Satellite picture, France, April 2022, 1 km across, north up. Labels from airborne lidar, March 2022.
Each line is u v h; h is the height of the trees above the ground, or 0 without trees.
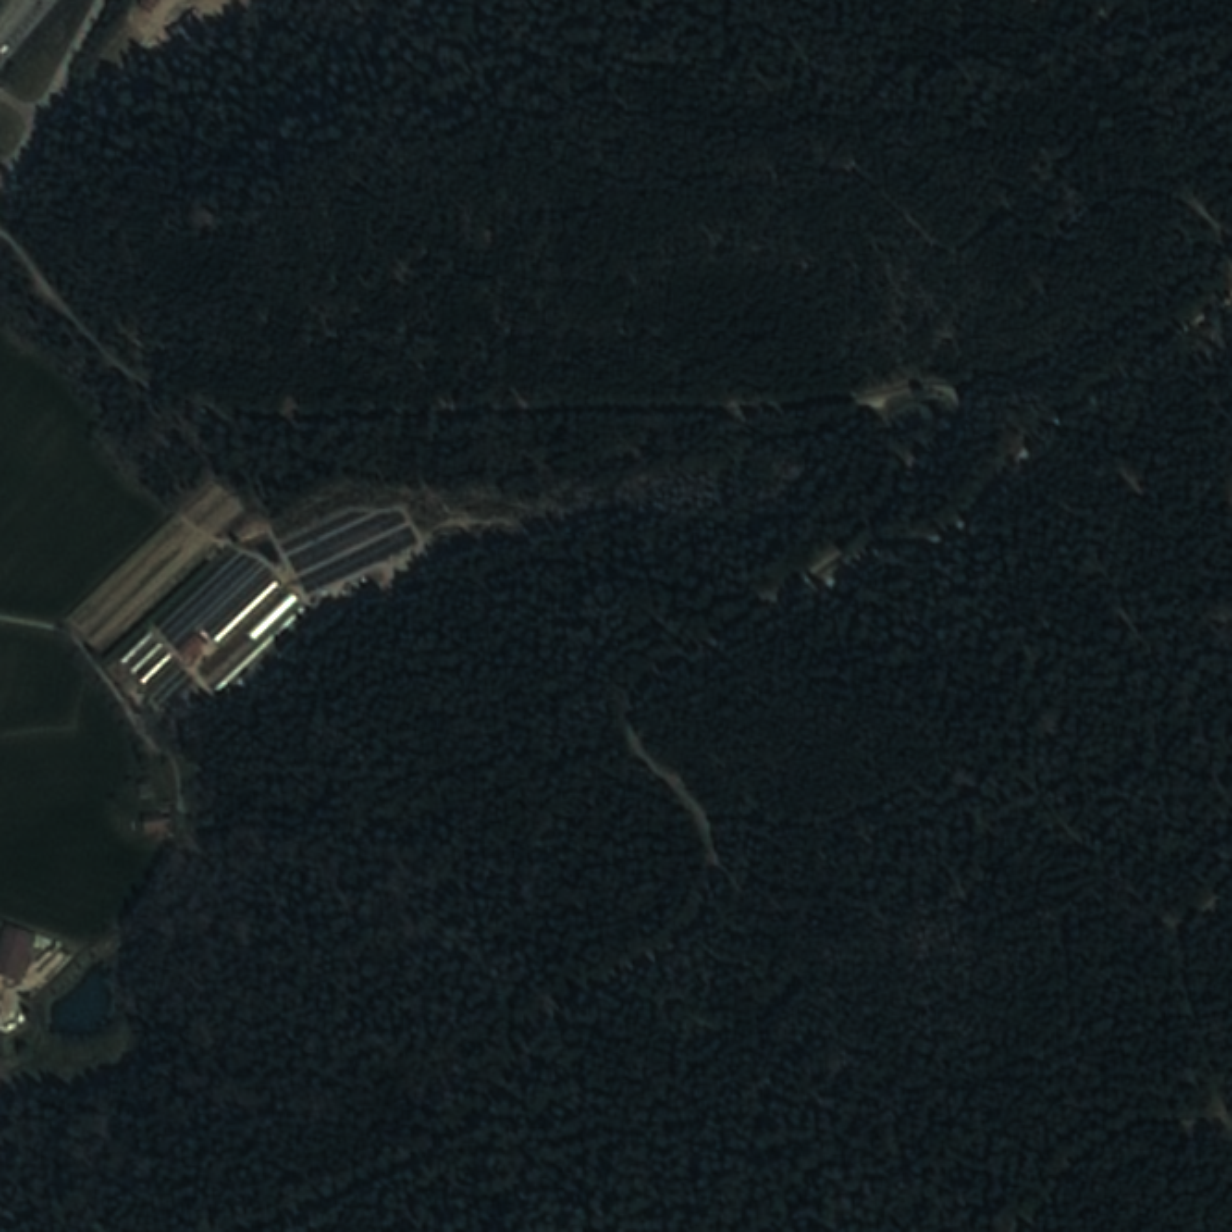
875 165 19
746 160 24
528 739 26
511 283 19
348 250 22
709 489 24
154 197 18
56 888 0
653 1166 19
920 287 22
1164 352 28
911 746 18
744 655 27
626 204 24
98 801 0
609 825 13
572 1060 27
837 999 26
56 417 0
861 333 21
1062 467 19
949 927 22
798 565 27
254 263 24
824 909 18
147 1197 25
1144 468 23
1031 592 22
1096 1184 19
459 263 16
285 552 0
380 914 19
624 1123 28
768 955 26
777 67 33
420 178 29
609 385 24
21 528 0
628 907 28
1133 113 15
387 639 25
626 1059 28
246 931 27
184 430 27
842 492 29
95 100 17
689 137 24
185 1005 28
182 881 20
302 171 27
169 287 16
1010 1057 19
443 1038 31
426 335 16
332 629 22
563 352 19
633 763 20
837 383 21
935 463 21
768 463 28
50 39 0
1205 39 22
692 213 20
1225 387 18
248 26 29
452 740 22
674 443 23
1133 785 25
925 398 22
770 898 24
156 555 0
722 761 19
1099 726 26
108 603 0
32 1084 0
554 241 20
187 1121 26
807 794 20
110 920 0
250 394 26
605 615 27
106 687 15
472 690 22
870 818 18
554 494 26
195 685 0
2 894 0
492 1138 25
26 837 0
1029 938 23
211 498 0
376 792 28
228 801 25
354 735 23
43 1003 0
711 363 19
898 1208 26
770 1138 9
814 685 18
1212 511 15
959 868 24
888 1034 23
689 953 24
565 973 30
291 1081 20
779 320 11
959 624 15
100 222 18
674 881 21
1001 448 20
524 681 23
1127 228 29
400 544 0
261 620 0
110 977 8
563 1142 28
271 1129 25
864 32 30
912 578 17
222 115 29
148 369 14
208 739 24
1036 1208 27
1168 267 24
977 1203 31
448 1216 13
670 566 17
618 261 19
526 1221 6
